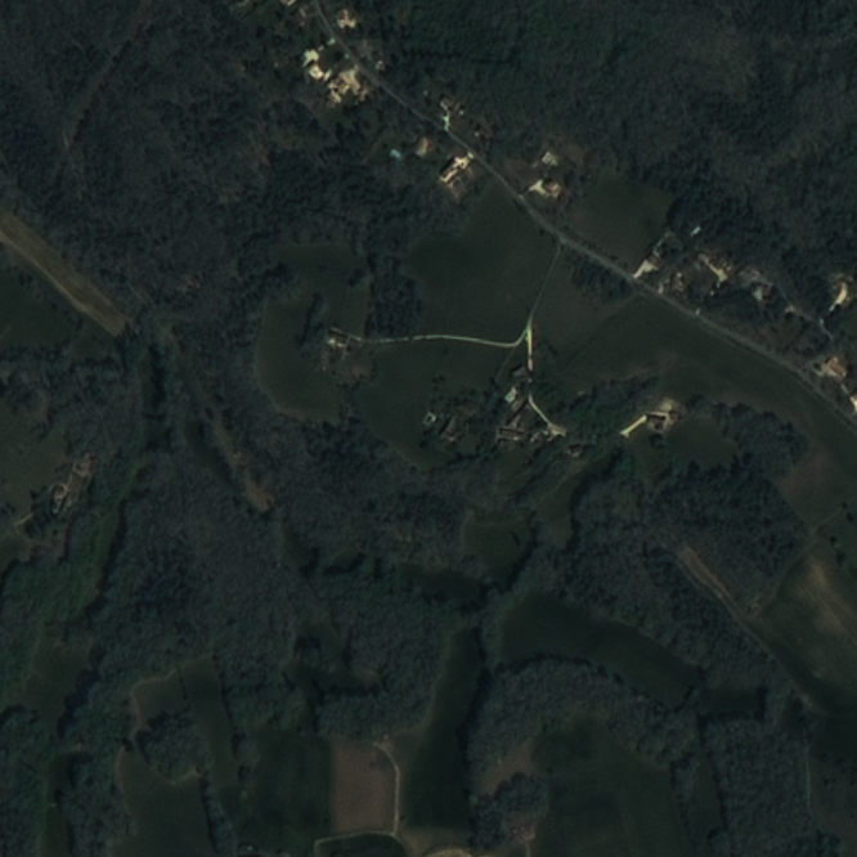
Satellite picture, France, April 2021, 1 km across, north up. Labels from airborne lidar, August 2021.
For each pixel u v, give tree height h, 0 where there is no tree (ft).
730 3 49
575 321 0
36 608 63
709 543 53
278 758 0
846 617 0
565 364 0
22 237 0
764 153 46
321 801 0
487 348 0
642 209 0
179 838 0
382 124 38
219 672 41
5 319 0
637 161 61
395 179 56
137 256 35
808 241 48
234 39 37
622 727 60
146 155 47
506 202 0
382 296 35
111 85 52
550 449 50
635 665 0
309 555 0
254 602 67
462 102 59
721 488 64
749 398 0
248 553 51
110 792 65
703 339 0
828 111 81
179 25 38
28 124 35
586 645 0
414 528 43
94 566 57
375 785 0
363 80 30
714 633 64
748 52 50
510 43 64
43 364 57
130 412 52
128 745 0
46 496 17
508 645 0
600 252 31
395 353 0
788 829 53
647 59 69
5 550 0
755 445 63
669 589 43
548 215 42
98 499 63
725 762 60
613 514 37
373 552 50
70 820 63
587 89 67
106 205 38
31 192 59
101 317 0
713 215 57
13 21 50
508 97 63
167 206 25
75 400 25
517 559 0
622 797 0
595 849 0
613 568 36
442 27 38
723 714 0
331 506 55
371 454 31
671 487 34
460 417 22
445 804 0
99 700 88
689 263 33
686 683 0
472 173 64
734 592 49
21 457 24
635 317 0
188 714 38
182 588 55
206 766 54
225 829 70
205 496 49
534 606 0
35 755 73
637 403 60
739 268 37
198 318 60
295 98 52
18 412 72
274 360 0
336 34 43
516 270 0
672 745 76
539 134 58
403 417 0
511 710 65
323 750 0
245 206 44
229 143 76
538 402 17
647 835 0
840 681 0
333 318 0
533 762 0
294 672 0
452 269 0
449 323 0
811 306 46
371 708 66
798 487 0
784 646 0
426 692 72
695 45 40
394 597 70
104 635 63
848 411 37
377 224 37
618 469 44
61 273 0
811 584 0
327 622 26
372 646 95
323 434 21
